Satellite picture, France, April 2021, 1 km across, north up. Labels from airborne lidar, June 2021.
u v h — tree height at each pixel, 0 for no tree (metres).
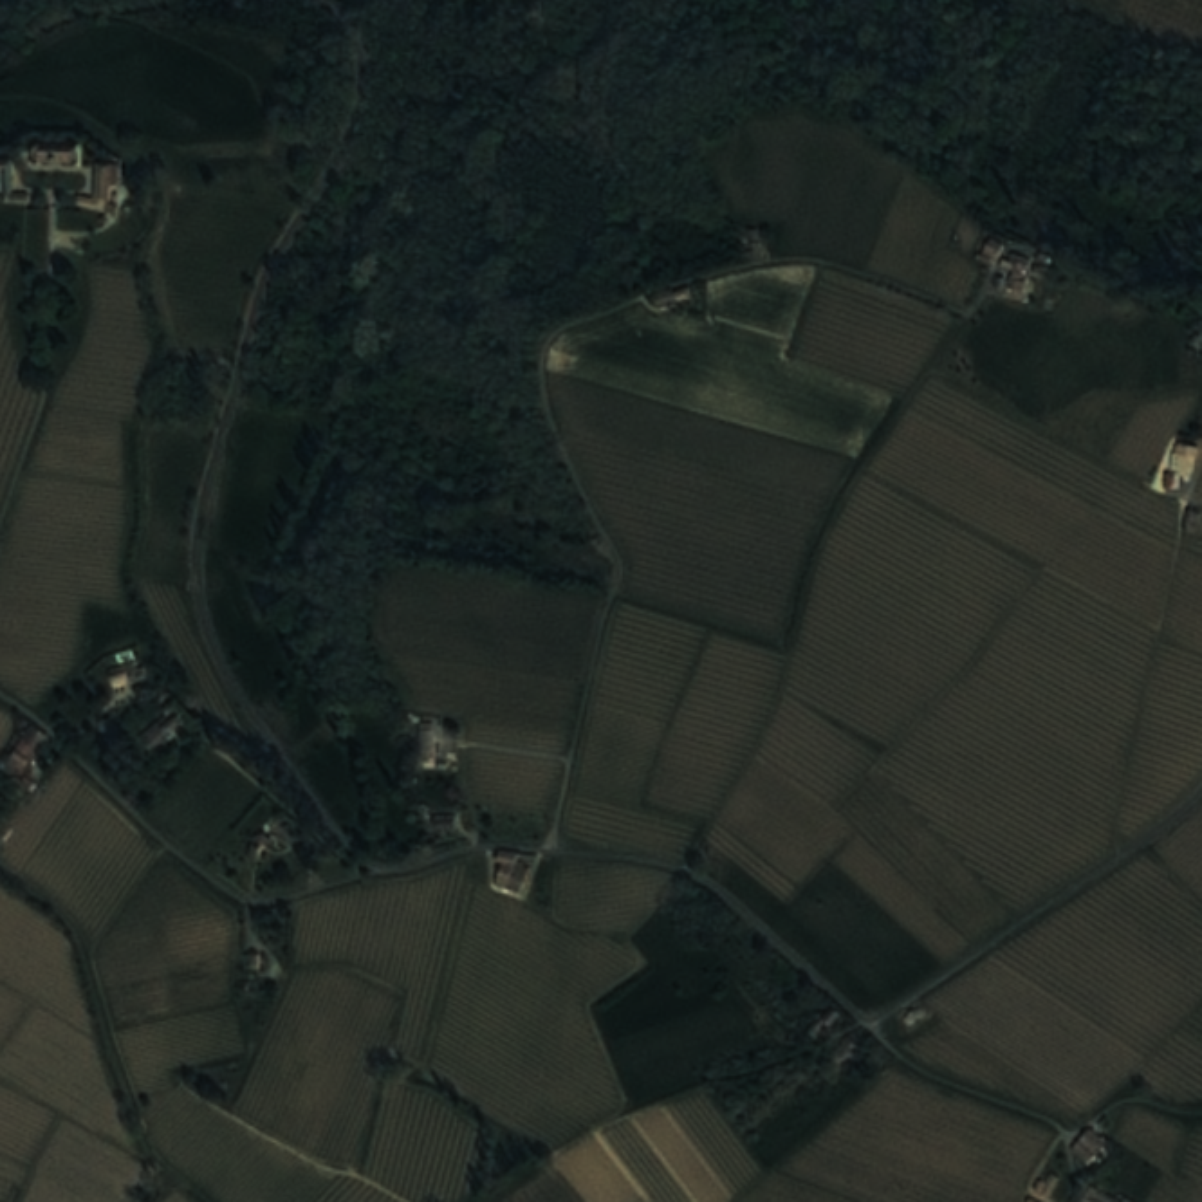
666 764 0
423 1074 0
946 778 0
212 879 0
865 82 21
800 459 0
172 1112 0
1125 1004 0
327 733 0
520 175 17
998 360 0
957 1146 0
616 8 11
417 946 0
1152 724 0
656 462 0
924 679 0
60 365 0
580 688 0
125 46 0
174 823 0
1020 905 0
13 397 0
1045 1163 0
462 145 22
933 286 0
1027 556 0
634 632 0
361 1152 0
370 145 22
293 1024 0
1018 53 25
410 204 31
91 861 0
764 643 0
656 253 9
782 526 0
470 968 0
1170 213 10
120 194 0
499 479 16
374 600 17
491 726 0
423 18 24
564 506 16
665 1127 0
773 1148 0
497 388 15
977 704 0
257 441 0
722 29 19
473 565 20
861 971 0
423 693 0
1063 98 12
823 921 0
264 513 0
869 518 0
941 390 0
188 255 0
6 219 0
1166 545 0
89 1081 0
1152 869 0
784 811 0
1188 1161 0
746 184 0
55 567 0
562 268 12
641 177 23
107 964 0
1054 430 0
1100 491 0
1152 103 20
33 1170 0
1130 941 0
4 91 0
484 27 22
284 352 14
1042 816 0
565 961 0
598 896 0
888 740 0
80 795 0
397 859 19
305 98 26
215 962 0
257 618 0
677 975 0
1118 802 0
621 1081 0
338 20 11
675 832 0
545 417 12
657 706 0
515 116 18
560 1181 0
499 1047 0
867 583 0
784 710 0
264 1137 0
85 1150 0
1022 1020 0
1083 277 13
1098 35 9
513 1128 0
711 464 0
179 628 0
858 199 0
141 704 9
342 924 0
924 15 26
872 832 0
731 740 0
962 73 29
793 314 0
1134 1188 0
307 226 8
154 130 0
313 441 0
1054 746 0
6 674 0
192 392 22
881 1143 0
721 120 13
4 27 22
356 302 13
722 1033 0
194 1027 0
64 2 20
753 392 0
